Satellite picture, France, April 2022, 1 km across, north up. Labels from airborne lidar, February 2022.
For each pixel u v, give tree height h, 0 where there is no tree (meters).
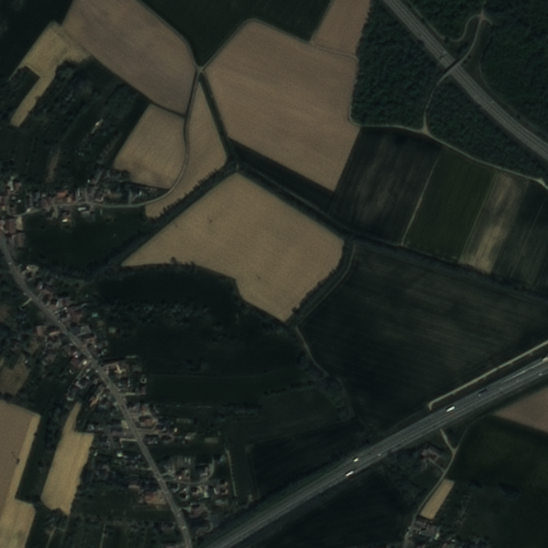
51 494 0
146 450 0
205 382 0
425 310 0
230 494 0
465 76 0
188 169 0
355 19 0
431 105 11
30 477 0
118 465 7
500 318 0
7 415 0
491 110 0
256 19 0
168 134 0
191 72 0
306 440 0
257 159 0
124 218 0
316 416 0
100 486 6
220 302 0
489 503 0
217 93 0
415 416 0
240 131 0
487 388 0
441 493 0
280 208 0
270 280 0
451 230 0
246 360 0
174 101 0
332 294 0
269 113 0
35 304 0
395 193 0
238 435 0
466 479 0
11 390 0
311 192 0
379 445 0
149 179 0
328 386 20
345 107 0
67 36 0
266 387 0
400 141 0
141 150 0
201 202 0
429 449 0
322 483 0
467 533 0
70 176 0
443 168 0
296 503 0
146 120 0
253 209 0
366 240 15
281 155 0
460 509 9
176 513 0
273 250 0
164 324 0
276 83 0
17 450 0
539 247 0
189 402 0
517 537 0
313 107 0
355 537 0
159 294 0
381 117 11
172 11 0
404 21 0
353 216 0
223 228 0
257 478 0
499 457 0
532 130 0
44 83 0
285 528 0
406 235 0
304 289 0
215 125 0
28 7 0
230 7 0
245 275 0
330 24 0
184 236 0
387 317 0
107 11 0
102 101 0
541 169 10
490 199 0
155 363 0
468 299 0
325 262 0
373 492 0
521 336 0
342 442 0
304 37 0
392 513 0
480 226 0
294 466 0
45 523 6
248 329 0
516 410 0
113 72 0
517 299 0
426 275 0
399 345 0
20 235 0
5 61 0
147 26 0
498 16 21
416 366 0
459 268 16
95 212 0
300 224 0
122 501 0
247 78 0
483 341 0
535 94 12
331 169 0
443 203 0
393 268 0
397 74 15
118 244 0
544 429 0
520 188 0
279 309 0
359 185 0
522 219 0
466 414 0
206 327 0
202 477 0
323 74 0
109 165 0
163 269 7
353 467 0
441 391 0
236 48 0
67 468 0
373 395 0
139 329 0
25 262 0
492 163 7
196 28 0
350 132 0
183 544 0
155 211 0
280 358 0
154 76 0
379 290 0
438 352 0
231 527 16
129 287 0
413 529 0
